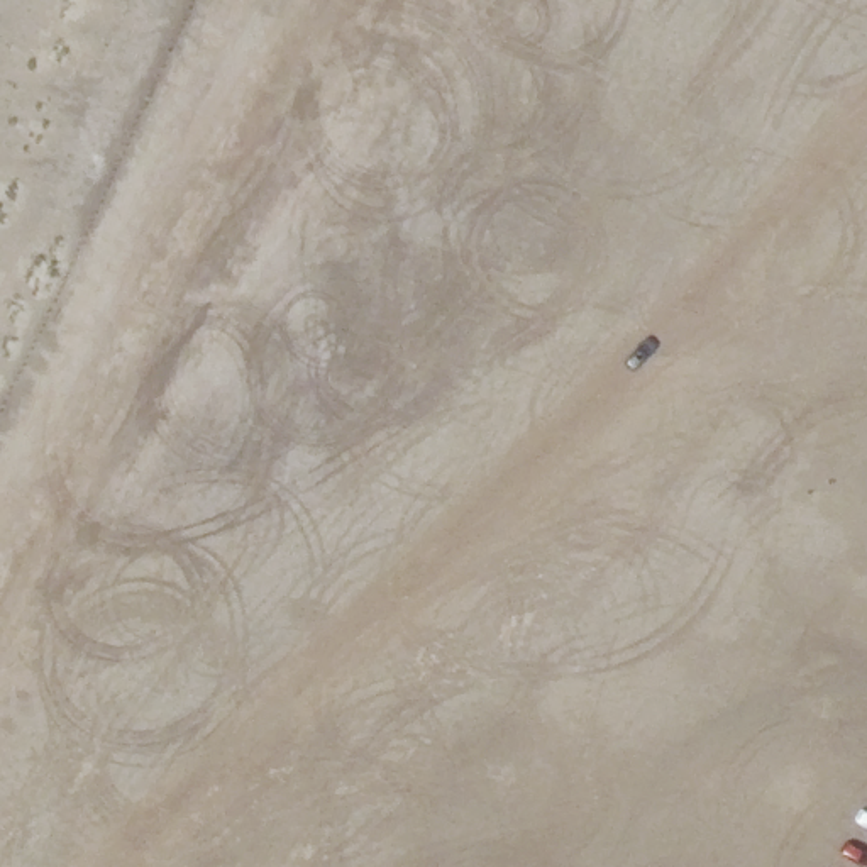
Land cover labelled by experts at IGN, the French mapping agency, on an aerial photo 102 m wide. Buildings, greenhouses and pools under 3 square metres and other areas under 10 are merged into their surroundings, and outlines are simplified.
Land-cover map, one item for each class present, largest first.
<instances>
[{"label":"bare soil","instance_id":"1","mask_svg":"<svg viewBox=\"0 0 867 867\"><path fill-rule=\"evenodd\" d=\"M0 867H867V0H0Z\"/></svg>","mask_w":867,"mask_h":867}]
</instances>
